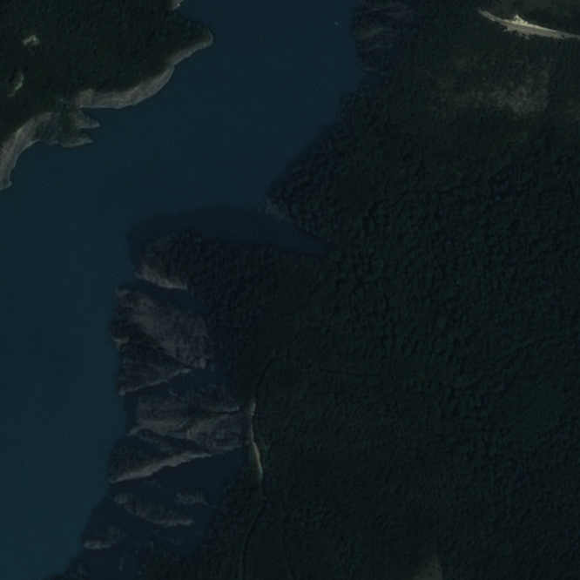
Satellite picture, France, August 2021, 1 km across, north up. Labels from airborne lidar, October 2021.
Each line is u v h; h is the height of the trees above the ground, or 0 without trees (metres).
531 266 29
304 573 20
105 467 0
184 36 16
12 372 0
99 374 0
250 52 0
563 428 15
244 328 23
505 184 20
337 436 14
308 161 27
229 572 14
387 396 28
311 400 15
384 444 18
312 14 0
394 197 27
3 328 0
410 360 27
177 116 0
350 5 0
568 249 26
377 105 10
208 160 0
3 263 0
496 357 25
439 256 34
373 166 6
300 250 0
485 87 7
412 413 29
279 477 16
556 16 7
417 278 25
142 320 0
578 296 20
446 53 10
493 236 33
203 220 0
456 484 20
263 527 19
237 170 0
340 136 23
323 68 0
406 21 12
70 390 0
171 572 20
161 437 5
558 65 6
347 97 7
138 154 0
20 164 0
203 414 7
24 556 0
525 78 7
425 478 16
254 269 21
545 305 15
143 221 0
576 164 36
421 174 20
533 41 9
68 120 8
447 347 28
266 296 23
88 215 0
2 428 0
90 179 0
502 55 11
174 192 0
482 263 15
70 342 0
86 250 0
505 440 28
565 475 26
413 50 15
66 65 13
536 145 29
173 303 7
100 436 0
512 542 23
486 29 11
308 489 27
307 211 30
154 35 25
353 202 23
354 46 0
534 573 21
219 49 0
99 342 0
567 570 26
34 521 0
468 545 12
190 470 0
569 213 26
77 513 0
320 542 25
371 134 29
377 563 15
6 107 12
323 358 28
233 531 19
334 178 27
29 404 0
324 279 20
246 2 0
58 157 0
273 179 0
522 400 21
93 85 11
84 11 22
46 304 0
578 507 28
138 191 0
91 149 0
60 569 0
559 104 13
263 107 0
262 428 14
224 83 0
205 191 0
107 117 0
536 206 29
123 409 0
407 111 13
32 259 0
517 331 31
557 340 30
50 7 14
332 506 23
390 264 20
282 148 0
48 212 0
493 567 23
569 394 24
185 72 0
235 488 16
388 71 11
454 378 28
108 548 9
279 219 0
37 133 5
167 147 0
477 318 20
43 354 0
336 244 15
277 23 0
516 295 24
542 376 27
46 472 0
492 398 31
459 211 22
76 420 0
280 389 16
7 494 0
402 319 24
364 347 28
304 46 0
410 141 24
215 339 9
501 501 19
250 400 14
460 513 18
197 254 15
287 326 18
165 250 6
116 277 0
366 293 31
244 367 23
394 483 16
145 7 24
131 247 0
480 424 33
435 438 22
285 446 17
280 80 0
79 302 0
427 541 12
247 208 6
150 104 0
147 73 11
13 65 16
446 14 11
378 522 20
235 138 0
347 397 16
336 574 10
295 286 18
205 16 0
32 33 10
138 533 15
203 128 0
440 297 31
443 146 15
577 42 11
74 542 0
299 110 0
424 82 8
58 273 0
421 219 17
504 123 19
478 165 21
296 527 23
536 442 21
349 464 18
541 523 24
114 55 22
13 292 0
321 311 19
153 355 7
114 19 21
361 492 18
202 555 14
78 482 0
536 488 30
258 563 16
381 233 24
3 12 13
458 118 12
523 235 26
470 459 16
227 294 23
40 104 14
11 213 0
